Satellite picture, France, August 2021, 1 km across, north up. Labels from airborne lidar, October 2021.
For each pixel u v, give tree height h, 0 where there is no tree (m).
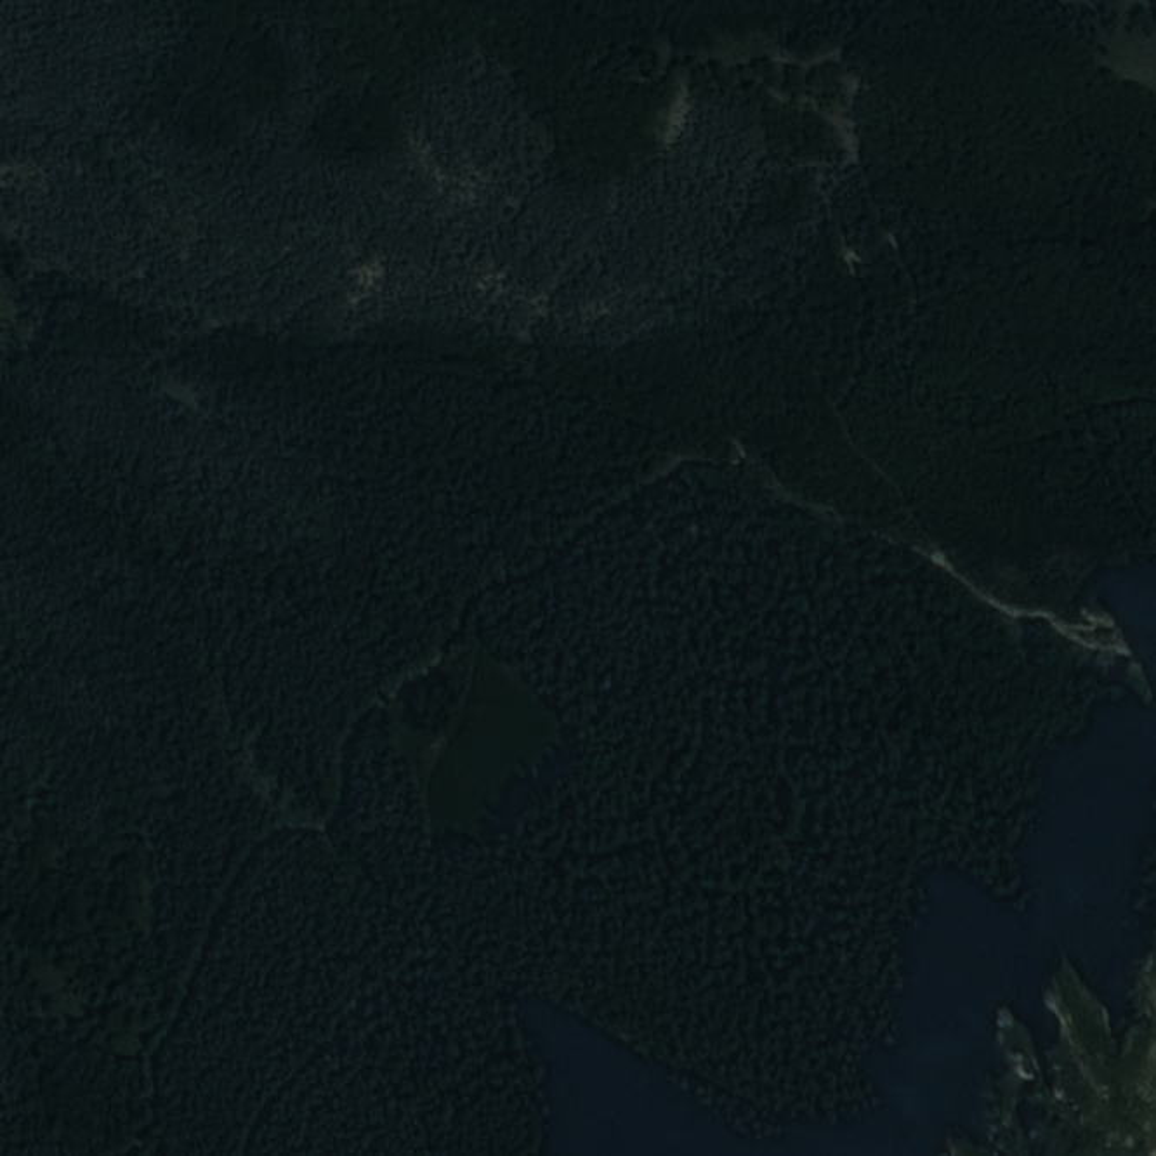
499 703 0
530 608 24
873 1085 17
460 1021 26
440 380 22
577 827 27
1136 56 0
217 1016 26
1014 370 18
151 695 24
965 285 18
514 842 24
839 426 10
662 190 12
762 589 21
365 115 20
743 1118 28
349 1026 24
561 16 19
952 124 16
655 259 15
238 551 18
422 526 23
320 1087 29
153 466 21
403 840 24
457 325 15
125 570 20
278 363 18
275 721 25
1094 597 5
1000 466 8
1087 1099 0
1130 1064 0
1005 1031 0
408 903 25
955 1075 0
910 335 17
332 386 25
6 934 10
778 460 16
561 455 13
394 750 21
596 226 14
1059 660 11
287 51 18
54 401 14
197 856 23
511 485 16
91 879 14
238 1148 17
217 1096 21
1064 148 17
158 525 18
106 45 9
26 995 9
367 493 22
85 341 19
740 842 17
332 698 24
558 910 17
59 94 7
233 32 16
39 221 8
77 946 14
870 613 22
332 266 11
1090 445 13
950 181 11
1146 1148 0
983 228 18
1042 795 18
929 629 9
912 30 21
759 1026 15
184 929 20
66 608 16
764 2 24
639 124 18
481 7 17
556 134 14
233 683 19
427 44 13
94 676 21
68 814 18
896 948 12
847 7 18
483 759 0
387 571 20
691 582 19
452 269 11
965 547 8
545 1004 9
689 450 7
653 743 28
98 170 9
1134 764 16
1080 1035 0
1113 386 17
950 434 11
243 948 29
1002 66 13
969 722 16
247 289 15
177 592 16
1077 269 15
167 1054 21
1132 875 8
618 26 21
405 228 14
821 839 20
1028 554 10
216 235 11
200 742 23
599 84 21
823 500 12
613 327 15
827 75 16
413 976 25
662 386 23
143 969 13
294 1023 28
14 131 9
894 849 18
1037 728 17
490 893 25
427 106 10
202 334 9
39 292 12
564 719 31
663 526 28
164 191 8
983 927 22
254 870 23
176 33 12
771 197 17
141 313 16
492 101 10
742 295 10
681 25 25
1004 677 18
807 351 11
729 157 14
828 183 10
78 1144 18
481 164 8
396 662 21
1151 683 0
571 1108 18
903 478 7
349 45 12
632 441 21
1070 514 11
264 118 18
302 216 9
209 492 21
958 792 14
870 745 24
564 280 10
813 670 23
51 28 15
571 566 26
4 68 10
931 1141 0
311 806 15
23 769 15
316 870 23
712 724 26
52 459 16
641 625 26
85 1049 23
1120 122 16
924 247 16
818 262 15
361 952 22
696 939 24
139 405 13
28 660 8
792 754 13
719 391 11
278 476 13
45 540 19
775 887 8
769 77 18
